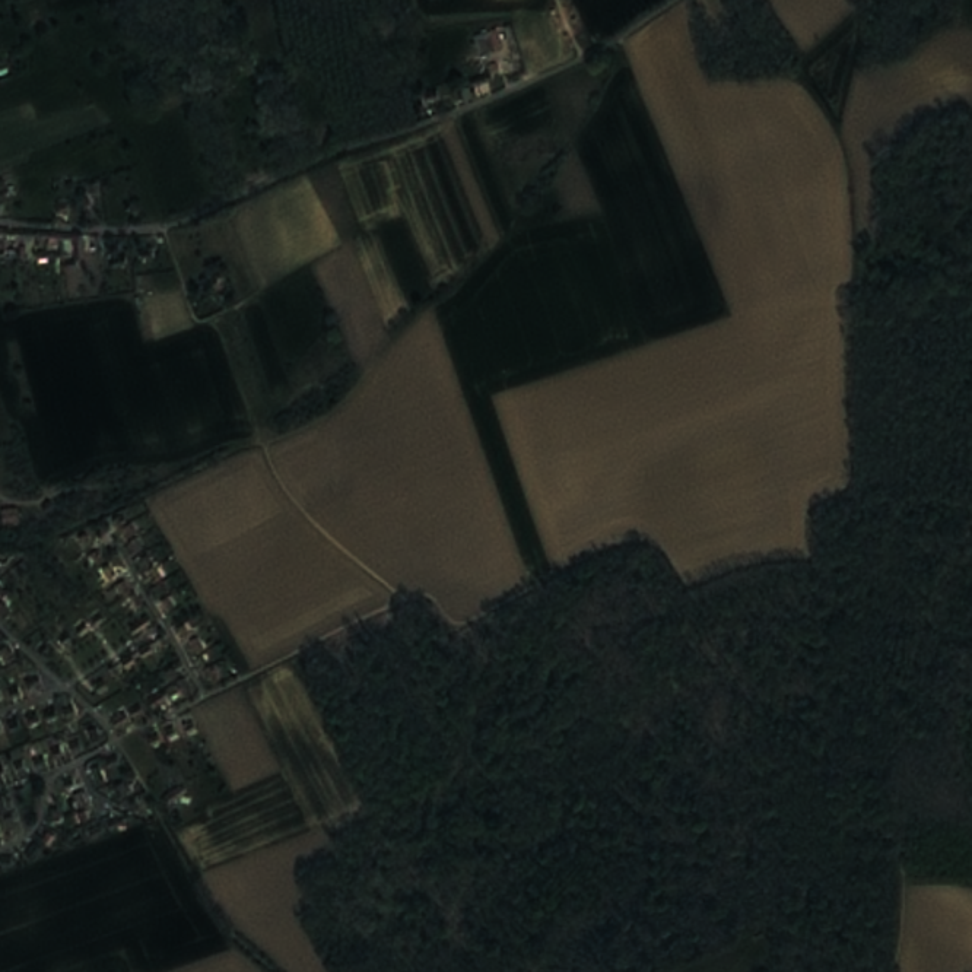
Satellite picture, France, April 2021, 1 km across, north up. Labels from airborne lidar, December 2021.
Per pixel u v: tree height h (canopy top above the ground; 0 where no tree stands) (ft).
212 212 47
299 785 0
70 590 34
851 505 72
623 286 0
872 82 0
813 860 78
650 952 34
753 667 83
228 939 26
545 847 46
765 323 0
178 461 0
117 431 0
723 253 0
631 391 0
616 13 0
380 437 0
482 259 0
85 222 46
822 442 0
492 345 0
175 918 0
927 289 85
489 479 0
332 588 0
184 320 0
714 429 0
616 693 74
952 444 88
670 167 0
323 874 71
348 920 52
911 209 58
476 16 0
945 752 58
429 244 0
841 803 81
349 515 0
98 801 0
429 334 0
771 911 44
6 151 0
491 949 73
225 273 18
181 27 96
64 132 0
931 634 66
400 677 74
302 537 0
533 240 0
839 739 75
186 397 0
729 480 0
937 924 0
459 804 78
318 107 0
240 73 37
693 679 66
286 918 0
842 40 0
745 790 70
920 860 46
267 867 0
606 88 0
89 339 0
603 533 0
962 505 58
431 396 0
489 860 67
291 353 0
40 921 0
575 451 0
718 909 59
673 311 0
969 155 76
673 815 48
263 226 0
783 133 0
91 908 0
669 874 70
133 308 0
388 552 0
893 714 73
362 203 0
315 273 0
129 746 0
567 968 85
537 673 91
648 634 75
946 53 0
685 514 0
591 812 31
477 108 0
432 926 89
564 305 0
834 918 61
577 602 77
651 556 61
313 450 0
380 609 0
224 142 64
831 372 0
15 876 0
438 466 0
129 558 0
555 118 0
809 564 61
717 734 54
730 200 0
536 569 0
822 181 0
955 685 57
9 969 0
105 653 24
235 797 0
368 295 0
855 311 93
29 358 0
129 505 43
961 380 94
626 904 61
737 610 70
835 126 0
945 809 60
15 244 0
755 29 84
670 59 0
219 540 0
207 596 0
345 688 71
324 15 75
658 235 0
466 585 0
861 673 62
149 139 0
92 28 0
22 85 0
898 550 73
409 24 80
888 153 75
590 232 0
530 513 0
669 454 0
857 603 48
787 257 0
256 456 0
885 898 62
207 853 0
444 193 0
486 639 73
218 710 0
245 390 0
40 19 0
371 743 77
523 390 0
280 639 0
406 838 84
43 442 0
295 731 0
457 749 47
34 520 28
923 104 0
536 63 0
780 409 0
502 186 0
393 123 64
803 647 42
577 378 0
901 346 76
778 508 0
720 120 0
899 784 64
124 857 0
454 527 0
